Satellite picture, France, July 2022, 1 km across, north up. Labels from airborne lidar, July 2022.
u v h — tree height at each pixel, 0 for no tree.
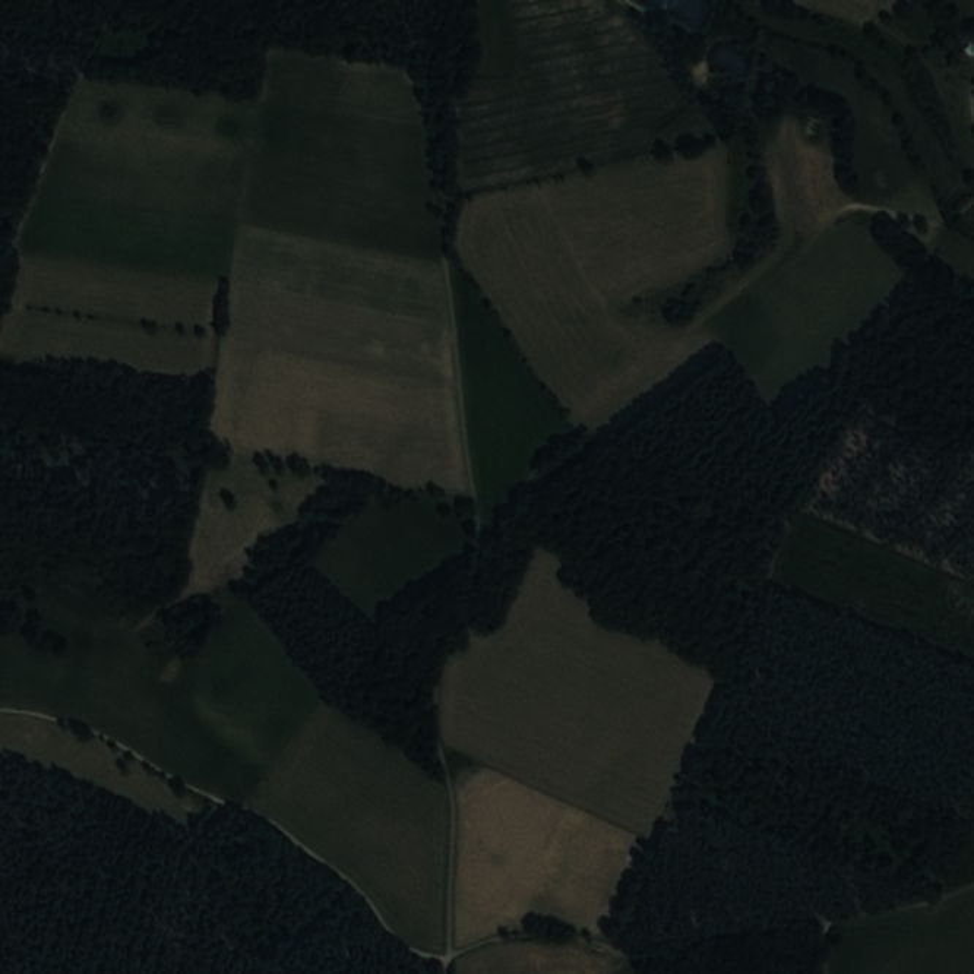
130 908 20
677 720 0
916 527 20
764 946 23
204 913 19
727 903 26
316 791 0
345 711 10
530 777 0
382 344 0
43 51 24
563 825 0
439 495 12
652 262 0
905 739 26
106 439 25
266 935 6
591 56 0
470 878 0
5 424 16
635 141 0
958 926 0
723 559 17
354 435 0
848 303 0
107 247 0
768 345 0
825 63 0
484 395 0
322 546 21
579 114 0
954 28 17
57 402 21
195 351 0
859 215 0
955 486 20
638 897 21
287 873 28
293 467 25
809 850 28
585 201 0
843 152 21
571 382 0
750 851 26
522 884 0
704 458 30
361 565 0
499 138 0
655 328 0
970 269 0
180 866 19
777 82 23
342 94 0
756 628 24
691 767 20
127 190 0
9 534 19
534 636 0
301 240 0
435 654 21
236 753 0
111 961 20
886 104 15
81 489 15
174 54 17
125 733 0
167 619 19
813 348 0
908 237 22
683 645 16
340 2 26
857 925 0
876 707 29
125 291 0
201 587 0
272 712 0
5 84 24
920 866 21
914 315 20
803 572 0
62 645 26
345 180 0
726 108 19
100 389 20
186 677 0
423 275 0
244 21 22
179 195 0
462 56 22
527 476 0
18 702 0
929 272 29
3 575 7
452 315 0
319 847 0
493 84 0
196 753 0
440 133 24
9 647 0
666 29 23
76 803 20
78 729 19
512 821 0
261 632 0
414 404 0
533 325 0
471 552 19
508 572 22
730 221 0
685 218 0
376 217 0
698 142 19
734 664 18
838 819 15
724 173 0
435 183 9
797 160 0
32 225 0
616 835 0
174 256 0
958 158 0
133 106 0
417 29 20
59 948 19
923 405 23
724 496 20
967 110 0
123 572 18
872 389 20
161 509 27
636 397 0
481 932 0
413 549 0
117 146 0
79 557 19
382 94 0
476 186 0
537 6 0
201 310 0
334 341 0
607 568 22
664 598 20
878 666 25
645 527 20
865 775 26
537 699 0
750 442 29
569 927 14
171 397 22
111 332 0
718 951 25
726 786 17
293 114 0
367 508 9
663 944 30
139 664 0
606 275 0
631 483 19
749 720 24
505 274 0
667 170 0
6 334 0
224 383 0
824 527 0
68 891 16
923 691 26
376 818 0
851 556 0
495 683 0
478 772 0
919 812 18
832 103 21
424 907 0
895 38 0
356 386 0
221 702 0
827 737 25
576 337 0
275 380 0
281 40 17
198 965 16
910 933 0
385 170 0
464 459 0
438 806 0
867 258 0
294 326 0
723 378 29
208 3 20
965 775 24
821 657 27
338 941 27
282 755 0
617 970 0
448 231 14
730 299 0
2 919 26
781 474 27
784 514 16
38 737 0
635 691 0
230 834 25
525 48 0
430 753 22
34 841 22
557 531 22
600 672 0
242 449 0
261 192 0
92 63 19
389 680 17
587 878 0
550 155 0
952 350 27
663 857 29
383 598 0
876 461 17
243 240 0
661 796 0
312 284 0
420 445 0
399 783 0
